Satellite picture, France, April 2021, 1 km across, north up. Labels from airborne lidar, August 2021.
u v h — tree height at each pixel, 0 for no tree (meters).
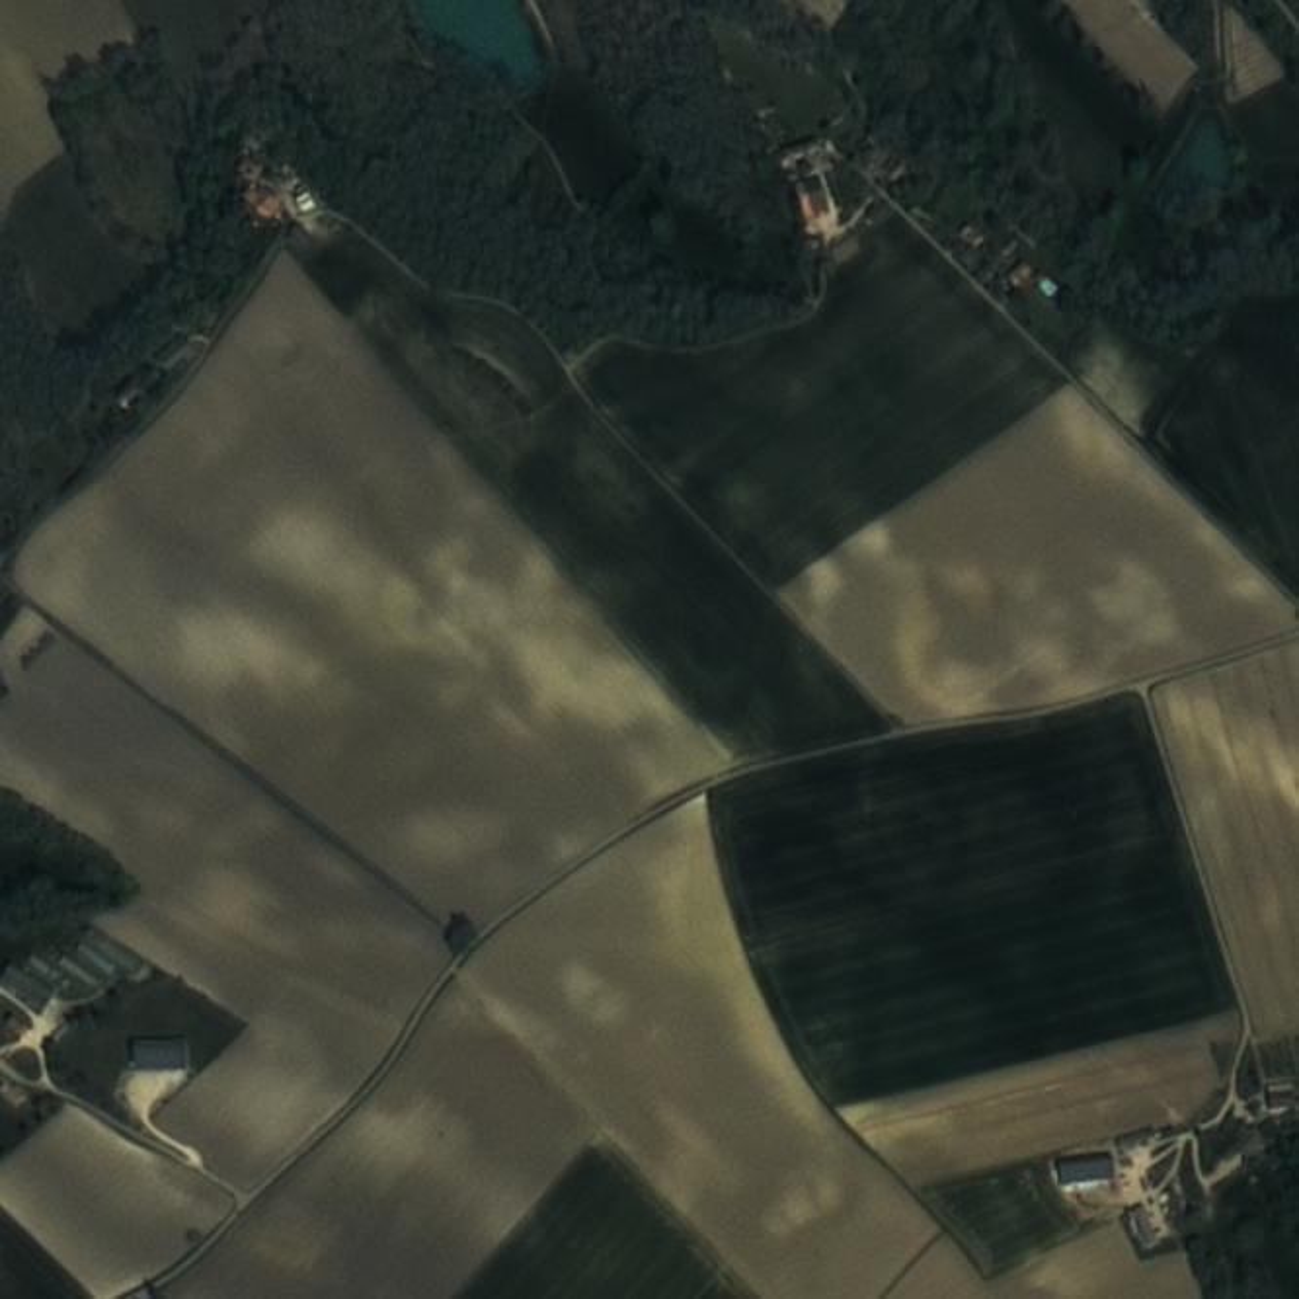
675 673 0
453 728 0
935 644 0
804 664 0
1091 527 0
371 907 0
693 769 0
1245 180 10
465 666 0
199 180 12
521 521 0
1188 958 0
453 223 24
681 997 0
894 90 6
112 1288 0
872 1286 0
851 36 8
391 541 0
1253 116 0
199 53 0
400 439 0
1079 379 0
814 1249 0
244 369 0
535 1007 0
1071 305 10
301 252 0
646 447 0
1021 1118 0
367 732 0
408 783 0
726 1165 0
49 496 13
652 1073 0
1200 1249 15
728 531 0
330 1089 0
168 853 0
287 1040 0
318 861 0
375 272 0
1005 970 0
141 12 0
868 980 0
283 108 12
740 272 0
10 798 10
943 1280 0
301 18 17
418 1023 0
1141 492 0
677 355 0
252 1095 0
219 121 13
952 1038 0
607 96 9
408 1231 0
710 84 18
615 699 0
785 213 9
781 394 0
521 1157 0
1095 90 0
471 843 0
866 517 0
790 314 17
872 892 0
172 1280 0
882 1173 0
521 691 0
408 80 16
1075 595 0
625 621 0
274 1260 0
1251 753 0
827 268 11
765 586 0
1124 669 0
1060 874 0
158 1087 0
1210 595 0
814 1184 0
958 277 0
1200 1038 0
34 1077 0
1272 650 0
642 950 0
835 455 0
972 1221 0
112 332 18
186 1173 0
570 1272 0
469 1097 0
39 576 0
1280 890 0
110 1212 0
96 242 0
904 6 17
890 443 0
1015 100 15
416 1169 0
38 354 22
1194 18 22
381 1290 0
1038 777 0
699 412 0
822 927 0
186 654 0
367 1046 0
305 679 0
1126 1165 0
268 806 0
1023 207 14
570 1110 0
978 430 0
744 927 0
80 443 19
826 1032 0
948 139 15
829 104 0
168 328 14
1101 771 0
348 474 0
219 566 0
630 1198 0
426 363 0
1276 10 13
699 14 17
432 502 0
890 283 0
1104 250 22
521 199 13
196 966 0
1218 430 0
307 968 0
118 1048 0
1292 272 17
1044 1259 0
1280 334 0
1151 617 0
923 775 0
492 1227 0
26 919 14
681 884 0
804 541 0
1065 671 0
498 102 26
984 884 0
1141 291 24
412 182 24
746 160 15
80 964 0
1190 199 17
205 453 0
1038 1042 0
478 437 0
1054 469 0
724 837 0
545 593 0
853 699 0
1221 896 0
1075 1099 0
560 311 15
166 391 13
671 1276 0
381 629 0
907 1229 0
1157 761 0
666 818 0
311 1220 0
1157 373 0
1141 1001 0
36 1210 0
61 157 0
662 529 0
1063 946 0
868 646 0
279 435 0
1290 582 0
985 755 0
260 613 0
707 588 0
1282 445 0
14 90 0
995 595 0
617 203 7
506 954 0
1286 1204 10
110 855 7
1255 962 0
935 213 10
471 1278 0
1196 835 0
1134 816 0
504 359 0
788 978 0
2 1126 0
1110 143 0
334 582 0
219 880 0
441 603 0
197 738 0
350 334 0
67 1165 0
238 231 10
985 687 0
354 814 0
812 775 0
